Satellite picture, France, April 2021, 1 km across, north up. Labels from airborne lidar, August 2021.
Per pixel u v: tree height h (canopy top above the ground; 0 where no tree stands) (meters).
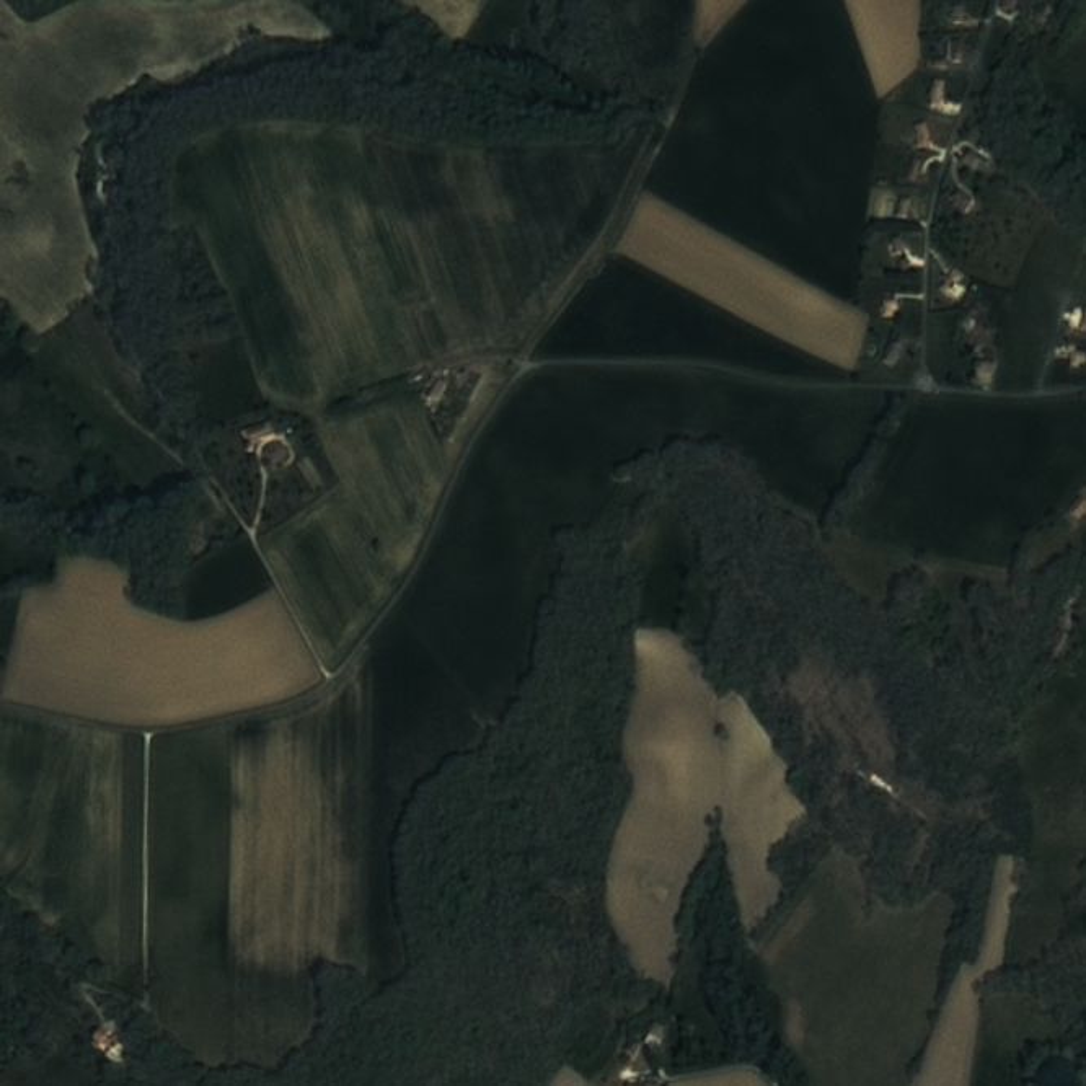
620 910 0
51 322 0
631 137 0
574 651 25
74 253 0
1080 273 0
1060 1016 19
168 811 0
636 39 0
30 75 0
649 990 5
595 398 0
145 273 20
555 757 22
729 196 0
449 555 0
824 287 0
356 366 0
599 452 0
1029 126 27
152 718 0
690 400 0
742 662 13
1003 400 0
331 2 20
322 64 23
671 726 0
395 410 0
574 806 21
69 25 0
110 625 0
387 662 0
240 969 0
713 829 15
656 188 0
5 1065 9
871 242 6
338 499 0
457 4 0
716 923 21
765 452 0
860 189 0
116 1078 15
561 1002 7
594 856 17
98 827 0
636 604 26
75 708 0
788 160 0
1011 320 0
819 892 0
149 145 24
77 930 0
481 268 0
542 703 18
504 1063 20
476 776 21
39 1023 15
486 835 15
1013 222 8
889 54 0
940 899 0
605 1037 10
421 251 0
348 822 0
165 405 22
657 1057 20
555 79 21
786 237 0
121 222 19
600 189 0
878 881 18
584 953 14
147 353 18
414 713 0
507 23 0
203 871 0
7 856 0
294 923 0
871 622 21
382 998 11
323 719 0
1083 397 6
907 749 13
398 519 0
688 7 0
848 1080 0
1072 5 19
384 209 0
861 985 0
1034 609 13
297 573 0
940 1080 0
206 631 0
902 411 13
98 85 0
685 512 21
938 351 0
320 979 19
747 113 0
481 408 0
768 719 12
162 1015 0
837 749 7
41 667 0
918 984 0
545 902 13
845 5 0
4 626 0
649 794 0
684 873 0
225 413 0
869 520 0
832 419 0
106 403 0
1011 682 17
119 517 27
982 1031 0
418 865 23
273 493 9
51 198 0
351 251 0
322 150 0
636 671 12
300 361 0
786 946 0
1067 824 0
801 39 0
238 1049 0
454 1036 19
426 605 0
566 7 20
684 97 0
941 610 6
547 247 0
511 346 0
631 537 16
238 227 0
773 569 20
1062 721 0
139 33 0
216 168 0
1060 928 0
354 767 0
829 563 16
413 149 0
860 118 0
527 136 13
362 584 0
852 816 13
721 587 19
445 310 0
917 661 17
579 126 18
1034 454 0
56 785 0
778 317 0
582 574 23
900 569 0
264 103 25
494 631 0
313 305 0
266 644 0
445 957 14
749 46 0
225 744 0
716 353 0
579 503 0
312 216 0
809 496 0
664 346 0
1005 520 0
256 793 0
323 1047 20
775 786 0
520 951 15
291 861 0
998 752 15
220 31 0
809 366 0
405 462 0
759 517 11
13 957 11
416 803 14
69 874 0
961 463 0
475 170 0
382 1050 20
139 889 0
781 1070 26
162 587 19
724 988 21
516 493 0
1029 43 10
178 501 22
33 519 23
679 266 0
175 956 0
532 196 0
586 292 0
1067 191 21
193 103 19
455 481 0
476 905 25
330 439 0
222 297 15
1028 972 12
